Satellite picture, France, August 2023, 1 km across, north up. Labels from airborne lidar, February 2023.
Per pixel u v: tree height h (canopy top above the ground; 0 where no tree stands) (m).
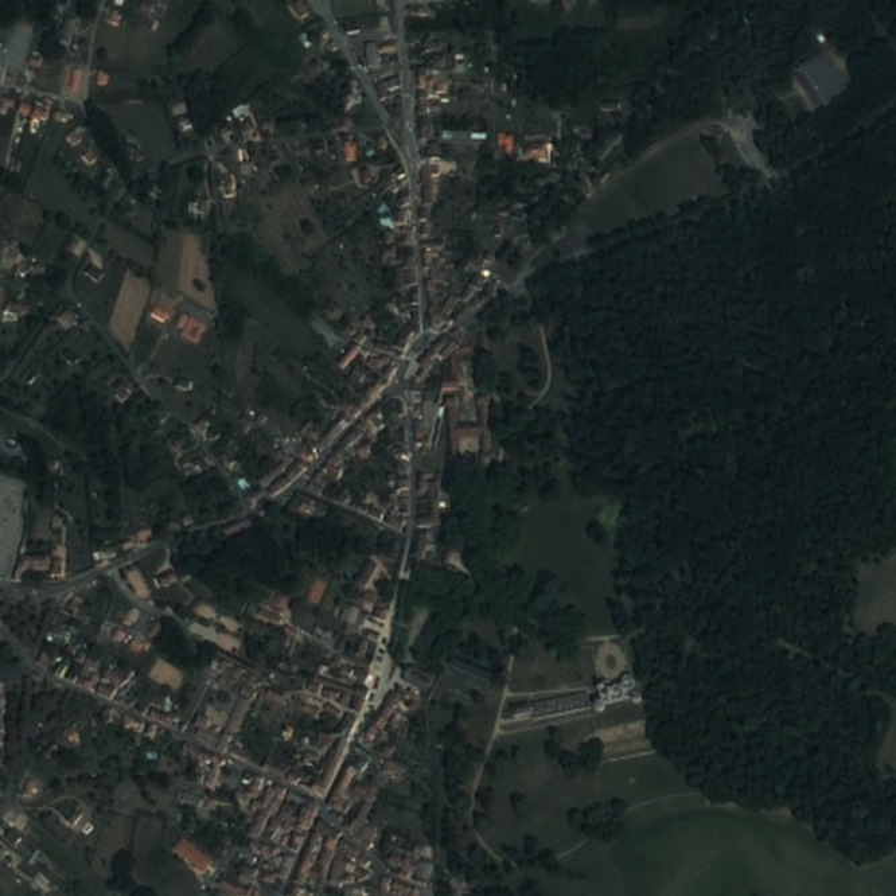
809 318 29
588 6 0
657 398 8
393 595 6
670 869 0
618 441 13
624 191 0
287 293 8
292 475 0
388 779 0
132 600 0
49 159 0
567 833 0
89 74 0
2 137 0
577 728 0
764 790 27
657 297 28
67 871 0
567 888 0
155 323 0
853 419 23
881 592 0
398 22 0
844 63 0
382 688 0
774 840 0
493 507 34
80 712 14
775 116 21
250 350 0
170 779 12
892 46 18
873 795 17
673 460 33
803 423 28
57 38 10
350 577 14
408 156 0
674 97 19
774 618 18
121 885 15
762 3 20
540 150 0
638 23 0
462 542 32
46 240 0
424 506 6
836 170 24
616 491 30
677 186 0
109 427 19
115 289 0
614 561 0
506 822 0
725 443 30
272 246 0
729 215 19
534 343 0
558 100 19
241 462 8
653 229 17
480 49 9
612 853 0
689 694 24
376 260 7
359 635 6
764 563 24
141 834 0
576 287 27
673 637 28
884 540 21
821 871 0
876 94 20
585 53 20
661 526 32
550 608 32
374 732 0
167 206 19
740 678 25
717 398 24
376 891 0
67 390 11
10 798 0
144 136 0
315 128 18
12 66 0
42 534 0
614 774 0
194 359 0
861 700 17
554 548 0
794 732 28
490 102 0
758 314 27
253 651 14
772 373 25
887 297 30
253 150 13
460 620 28
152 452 12
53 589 0
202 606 0
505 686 25
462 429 0
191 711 8
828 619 18
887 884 0
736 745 27
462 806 28
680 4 12
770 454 25
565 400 0
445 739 16
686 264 29
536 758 0
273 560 22
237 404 0
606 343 28
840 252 34
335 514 8
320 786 0
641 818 0
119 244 0
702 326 29
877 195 29
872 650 18
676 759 29
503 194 9
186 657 21
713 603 11
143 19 0
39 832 0
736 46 25
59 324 7
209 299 0
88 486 6
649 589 24
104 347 0
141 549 0
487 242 0
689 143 0
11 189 11
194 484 12
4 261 0
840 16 24
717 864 0
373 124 0
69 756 16
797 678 25
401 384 0
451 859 22
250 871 0
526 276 0
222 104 21
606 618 0
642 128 21
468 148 0
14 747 14
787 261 25
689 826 0
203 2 0
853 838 19
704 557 27
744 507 34
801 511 32
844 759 33
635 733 0
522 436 13
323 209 14
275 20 0
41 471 11
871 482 27
